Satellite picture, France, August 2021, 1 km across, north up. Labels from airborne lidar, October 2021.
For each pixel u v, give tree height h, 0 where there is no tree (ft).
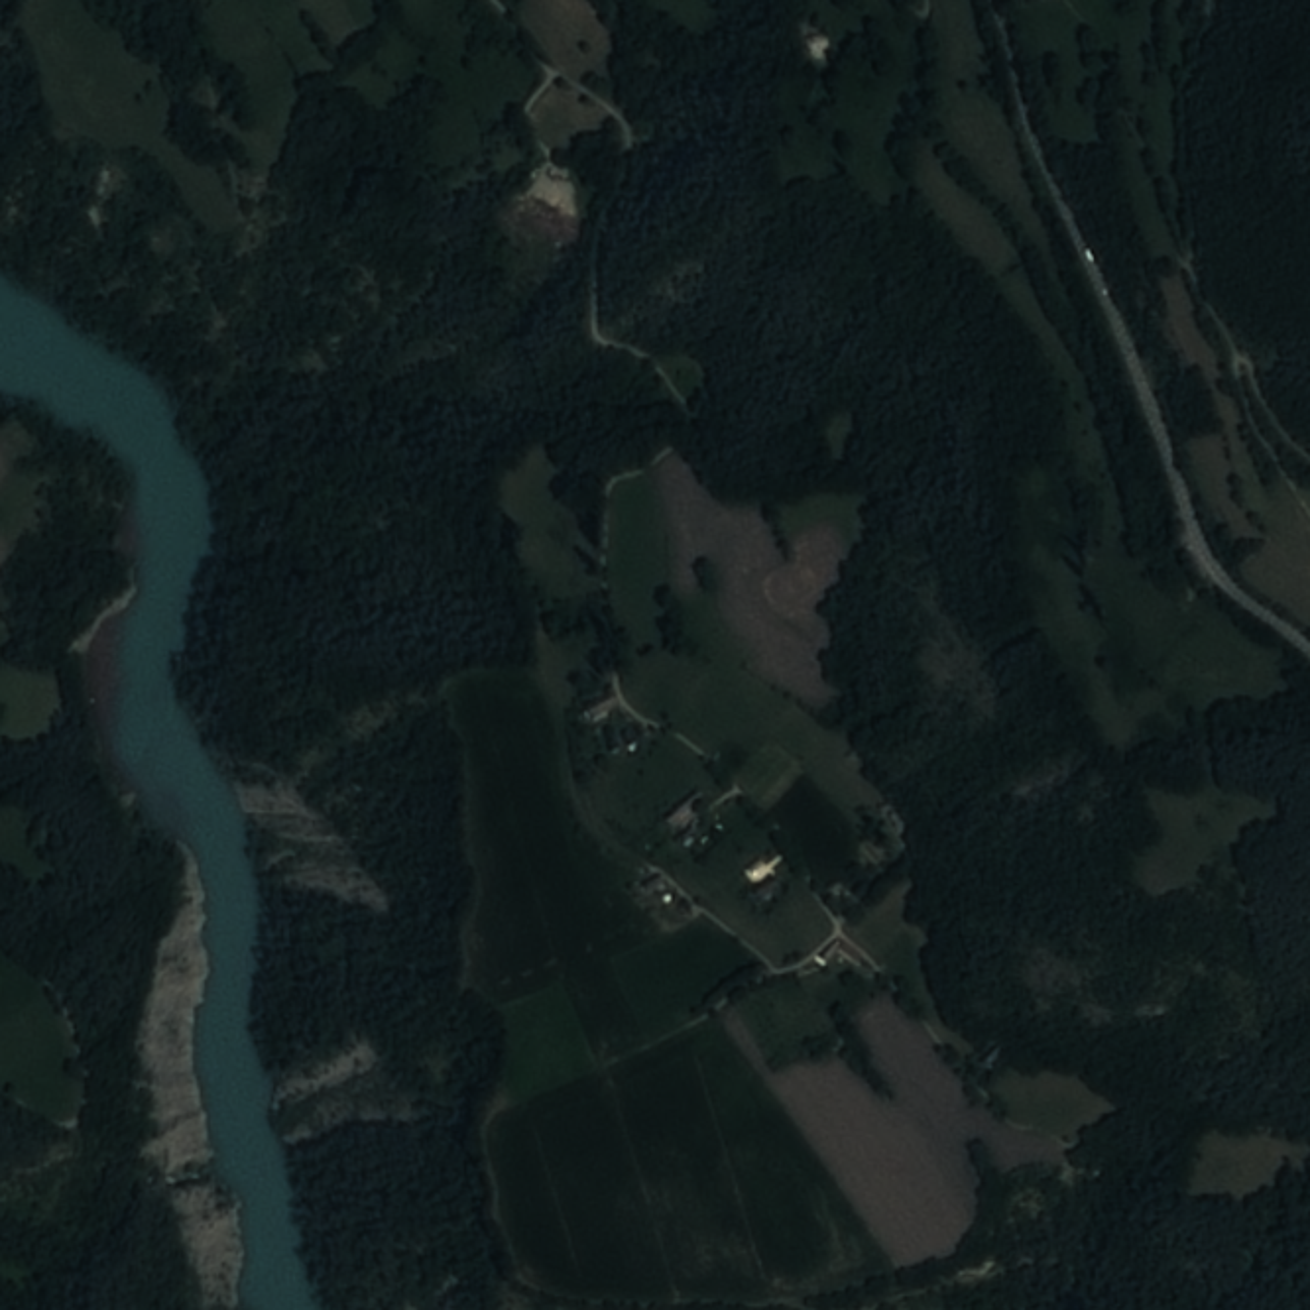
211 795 0
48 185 35
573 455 58
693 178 54
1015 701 33
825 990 0
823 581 0
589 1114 0
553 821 0
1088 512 30
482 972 0
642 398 32
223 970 0
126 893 61
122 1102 40
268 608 55
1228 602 38
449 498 33
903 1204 0
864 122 0
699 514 0
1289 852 50
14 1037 0
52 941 50
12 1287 51
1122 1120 53
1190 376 30
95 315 53
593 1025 0
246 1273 0
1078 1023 32
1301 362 41
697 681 0
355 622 24
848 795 0
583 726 20
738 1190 0
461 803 41
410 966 23
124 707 0
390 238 40
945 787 38
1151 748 49
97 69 0
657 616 0
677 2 0
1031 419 61
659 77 40
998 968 24
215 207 0
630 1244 0
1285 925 35
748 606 0
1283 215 39
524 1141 0
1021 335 59
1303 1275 54
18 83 23
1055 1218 31
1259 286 25
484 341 23
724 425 64
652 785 0
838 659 46
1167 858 0
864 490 33
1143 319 21
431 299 42
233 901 0
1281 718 74
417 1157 47
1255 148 36
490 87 0
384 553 38
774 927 0
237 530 49
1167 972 24
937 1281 74
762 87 60
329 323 20
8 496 0
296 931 25
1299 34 56
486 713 0
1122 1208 57
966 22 0
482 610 36
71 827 54
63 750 51
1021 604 54
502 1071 35
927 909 45
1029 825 39
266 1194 0
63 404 0
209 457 51
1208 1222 70
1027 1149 0
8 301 0
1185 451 20
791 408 63
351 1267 34
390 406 52
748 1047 0
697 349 57
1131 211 41
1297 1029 34
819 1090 0
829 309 39
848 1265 0
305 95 44
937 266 47
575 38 0
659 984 0
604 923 0
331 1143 36
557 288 29
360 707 25
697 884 0
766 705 0
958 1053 32
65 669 33
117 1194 45
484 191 40
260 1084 0
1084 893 40
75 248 32
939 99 52
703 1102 0
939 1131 0
